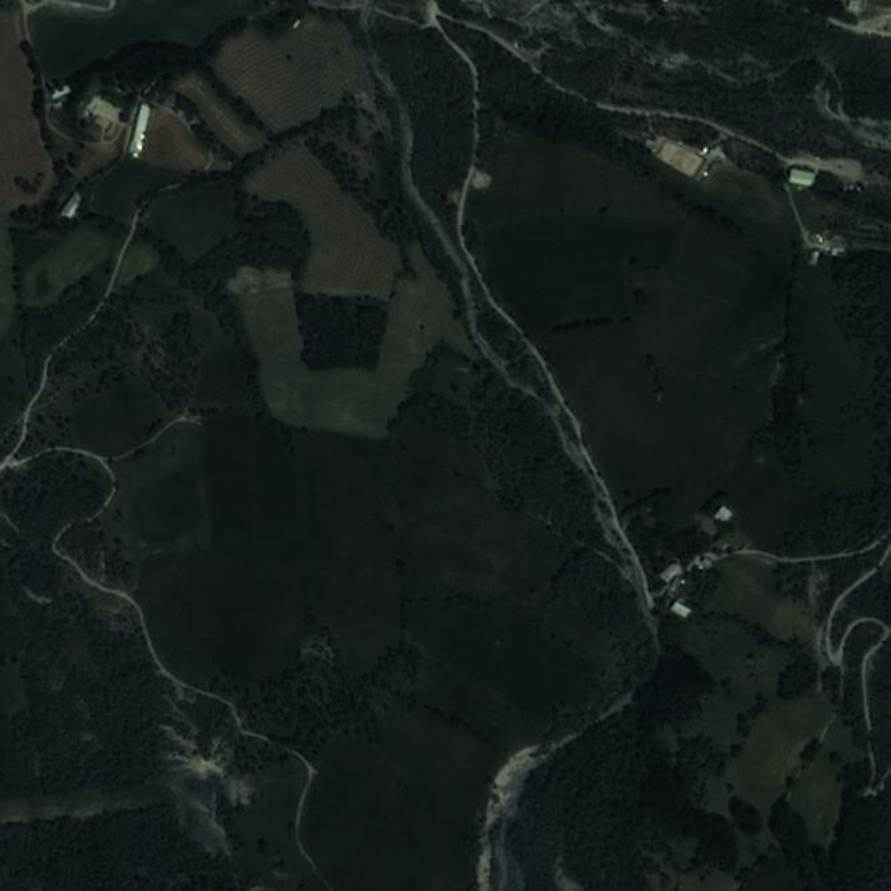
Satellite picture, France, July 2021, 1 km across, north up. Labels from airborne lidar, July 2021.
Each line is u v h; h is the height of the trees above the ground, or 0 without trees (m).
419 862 0
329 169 9
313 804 0
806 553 6
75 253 0
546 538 0
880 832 13
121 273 0
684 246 0
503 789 0
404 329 0
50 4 0
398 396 0
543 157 0
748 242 0
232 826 8
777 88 8
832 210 0
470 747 0
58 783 13
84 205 11
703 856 10
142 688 8
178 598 0
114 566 10
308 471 0
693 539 10
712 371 0
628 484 0
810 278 0
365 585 0
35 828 12
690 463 0
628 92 0
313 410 0
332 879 0
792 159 0
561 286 0
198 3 0
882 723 9
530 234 0
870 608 9
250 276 0
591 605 11
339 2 0
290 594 0
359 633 0
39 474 9
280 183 0
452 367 0
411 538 0
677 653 17
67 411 0
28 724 10
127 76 12
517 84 11
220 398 0
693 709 6
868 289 6
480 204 0
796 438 8
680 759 8
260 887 0
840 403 0
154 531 0
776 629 0
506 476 10
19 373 0
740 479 0
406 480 0
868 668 0
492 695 0
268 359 0
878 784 7
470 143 13
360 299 8
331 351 19
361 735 11
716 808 0
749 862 0
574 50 8
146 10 0
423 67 9
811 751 11
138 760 9
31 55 13
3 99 0
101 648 12
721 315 0
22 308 12
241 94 0
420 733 0
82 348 14
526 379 9
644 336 0
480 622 0
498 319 10
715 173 0
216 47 15
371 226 0
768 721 0
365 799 0
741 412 0
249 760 13
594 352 0
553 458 11
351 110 14
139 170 0
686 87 12
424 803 0
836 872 19
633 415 0
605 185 0
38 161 0
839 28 6
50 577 11
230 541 0
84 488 13
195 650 0
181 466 0
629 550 6
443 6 11
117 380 8
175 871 9
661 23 6
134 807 0
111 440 0
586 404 0
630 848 11
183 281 9
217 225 0
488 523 0
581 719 7
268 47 0
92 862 9
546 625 0
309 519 0
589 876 12
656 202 0
